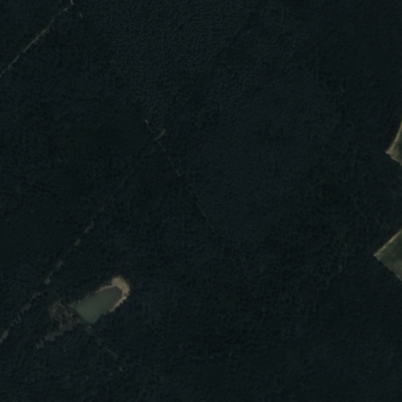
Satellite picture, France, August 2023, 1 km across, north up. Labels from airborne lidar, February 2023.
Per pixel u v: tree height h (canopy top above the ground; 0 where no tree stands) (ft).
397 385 62
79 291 66
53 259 43
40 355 52
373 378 77
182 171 42
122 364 54
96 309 0
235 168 74
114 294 0
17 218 30
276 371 54
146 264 47
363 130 69
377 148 60
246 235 71
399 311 53
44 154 73
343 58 61
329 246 48
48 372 19
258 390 58
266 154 78
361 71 59
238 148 76
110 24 69
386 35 70
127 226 62
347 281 54
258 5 63
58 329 33
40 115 62
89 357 48
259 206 72
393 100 49
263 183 75
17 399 63
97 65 69
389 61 61
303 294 54
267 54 68
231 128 80
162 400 66
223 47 52
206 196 67
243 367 66
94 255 32
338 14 64
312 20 55
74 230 24
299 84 69
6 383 63
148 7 66
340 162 70
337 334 56
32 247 24
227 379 70
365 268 58
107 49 60
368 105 59
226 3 82
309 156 76
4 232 28
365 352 75
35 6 71
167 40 68
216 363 74
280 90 73
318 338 76
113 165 69
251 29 64
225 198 67
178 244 64
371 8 67
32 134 67
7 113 68
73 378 58
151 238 70
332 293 76
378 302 57
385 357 65
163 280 38
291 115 74
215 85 70
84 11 57
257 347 57
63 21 65
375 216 63
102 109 60
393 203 67
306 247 32
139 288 28
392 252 0
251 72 66
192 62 70
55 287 69
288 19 57
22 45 54
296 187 64
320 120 69
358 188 47
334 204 0
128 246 37
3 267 25
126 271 33
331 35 66
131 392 51
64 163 65
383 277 59
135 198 26
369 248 45
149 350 34
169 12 77
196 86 56
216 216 67
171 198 73
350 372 68
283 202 69
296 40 76
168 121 68
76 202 26
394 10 70
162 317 36
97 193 69
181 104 66
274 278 52
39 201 52
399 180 59
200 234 57
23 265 74
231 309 0
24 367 43
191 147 34
